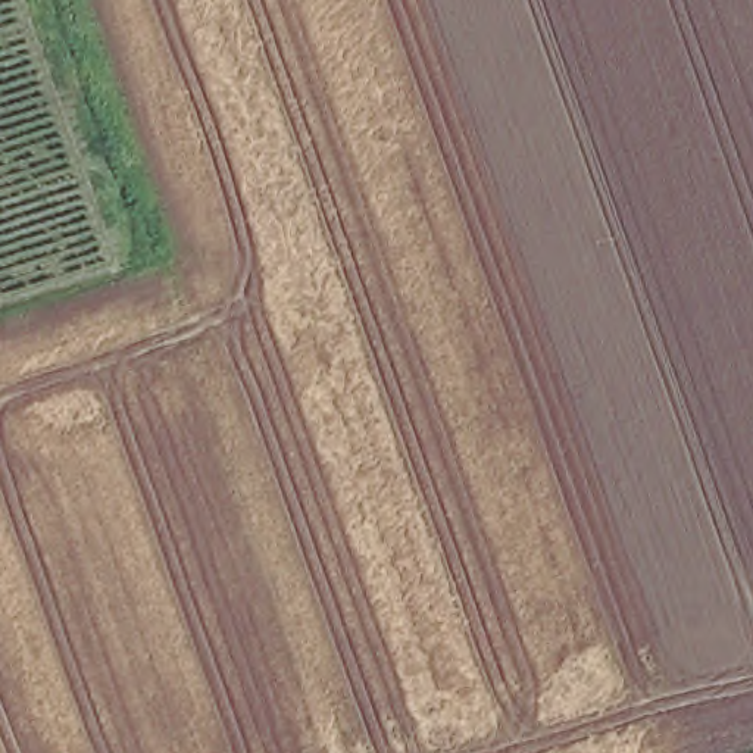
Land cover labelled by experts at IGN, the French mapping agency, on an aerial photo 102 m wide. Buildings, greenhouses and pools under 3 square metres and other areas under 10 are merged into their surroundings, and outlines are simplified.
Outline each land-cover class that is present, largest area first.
<instances>
[{"label":"agricultural land","instance_id":"1","mask_svg":"<svg viewBox=\"0 0 753 753\"><path fill-rule=\"evenodd\" d=\"M147 174L174 229L176 256L168 265H159L153 274H138L132 279L112 282L106 288L32 309L12 321H0V753H753V0H88Z\"/></svg>","mask_w":753,"mask_h":753},{"label":"herbaceous vegetation","instance_id":"2","mask_svg":"<svg viewBox=\"0 0 753 753\"><path fill-rule=\"evenodd\" d=\"M26 41L38 91L47 97L50 106V115L38 118V124H56L71 168L65 185H76L85 206V221L76 226H91L100 256L112 271L100 279H85L79 285L56 288L29 300L0 306V321H12L32 309L106 288L112 282L132 279L138 274H153L159 265H168L176 256L174 229L147 174L88 0H0V41Z\"/></svg>","mask_w":753,"mask_h":753},{"label":"vineyard","instance_id":"3","mask_svg":"<svg viewBox=\"0 0 753 753\"><path fill-rule=\"evenodd\" d=\"M50 115V106L47 97L38 91L26 41H0V306L29 300L56 288L79 285L85 279H100L112 271L100 256L91 226H76L85 221V206L76 185H65L71 168L56 124H38V118Z\"/></svg>","mask_w":753,"mask_h":753}]
</instances>
